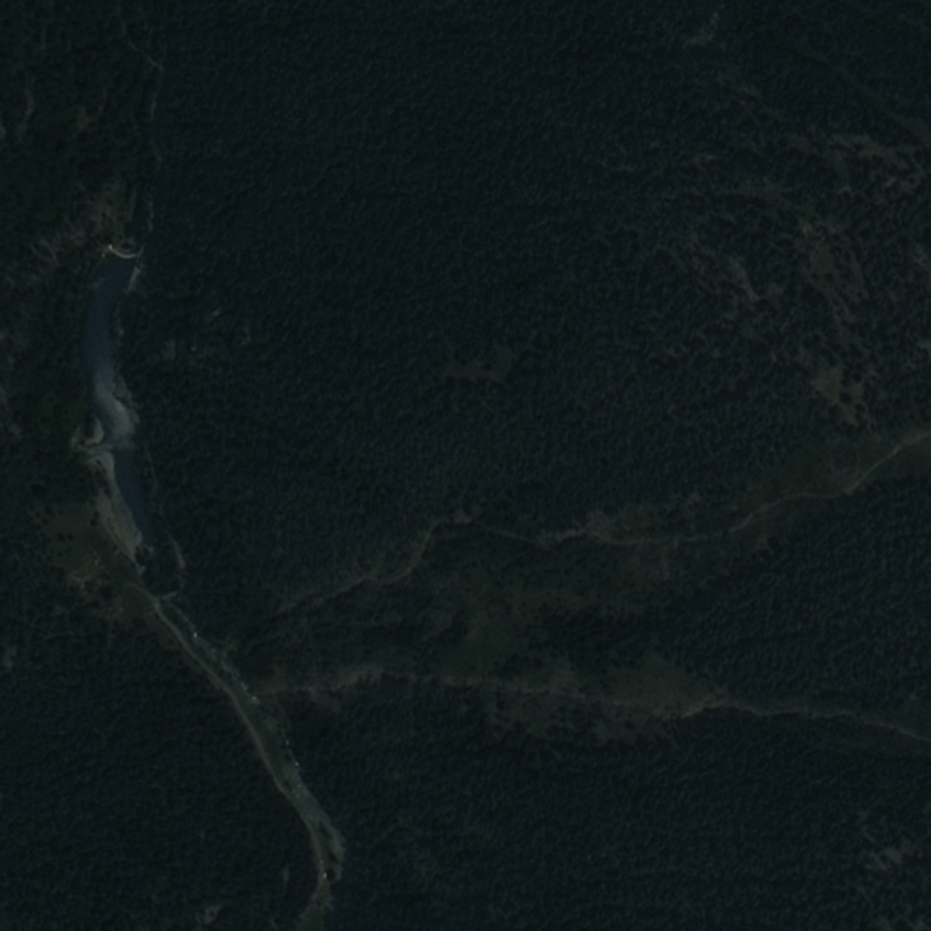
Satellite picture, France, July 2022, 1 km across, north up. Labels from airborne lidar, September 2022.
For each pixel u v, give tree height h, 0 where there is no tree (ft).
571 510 57
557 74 24
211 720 48
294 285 38
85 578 0
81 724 71
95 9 60
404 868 33
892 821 82
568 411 79
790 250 65
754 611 80
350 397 22
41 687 43
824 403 33
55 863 42
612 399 45
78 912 64
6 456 96
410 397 44
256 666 25
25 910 46
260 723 0
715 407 58
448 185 89
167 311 103
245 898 56
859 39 40
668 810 78
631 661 38
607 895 52
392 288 50
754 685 38
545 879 62
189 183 64
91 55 66
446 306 100
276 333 53
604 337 49
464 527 22
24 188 65
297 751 28
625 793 54
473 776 55
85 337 0
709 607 88
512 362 0
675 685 0
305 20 62
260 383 29
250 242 31
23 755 87
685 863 60
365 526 36
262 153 76
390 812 38
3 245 52
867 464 0
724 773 83
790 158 48
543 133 96
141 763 65
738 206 54
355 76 86
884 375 37
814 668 73
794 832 56
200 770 81
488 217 92
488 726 32
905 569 68
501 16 70
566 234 64
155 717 74
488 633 0
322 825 0
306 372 61
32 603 56
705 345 57
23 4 40
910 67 32
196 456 29
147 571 31
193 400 30
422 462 59
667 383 56
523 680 0
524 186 34
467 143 69
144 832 36
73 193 38
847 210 67
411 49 90
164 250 82
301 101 68
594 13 31
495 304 74
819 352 27
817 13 35
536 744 25
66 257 32
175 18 84
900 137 30
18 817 69
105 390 0
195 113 71
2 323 34
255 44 55
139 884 76
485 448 49
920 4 19
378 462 50
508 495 21
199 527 58
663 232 37
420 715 23
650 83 44
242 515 45
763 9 51
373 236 99
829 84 31
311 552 23
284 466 48
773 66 39
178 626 31
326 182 76
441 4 59
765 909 60
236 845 81
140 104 70
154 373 55
